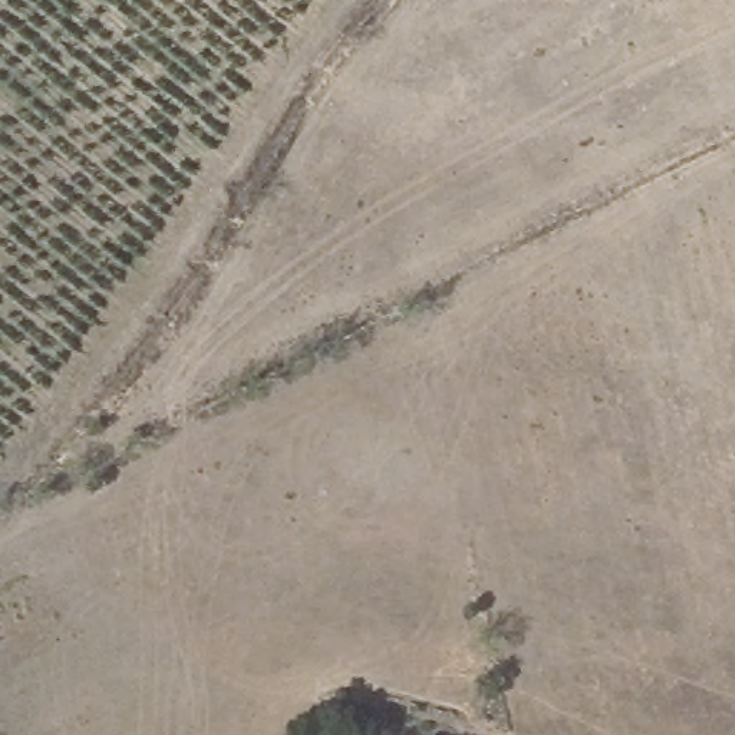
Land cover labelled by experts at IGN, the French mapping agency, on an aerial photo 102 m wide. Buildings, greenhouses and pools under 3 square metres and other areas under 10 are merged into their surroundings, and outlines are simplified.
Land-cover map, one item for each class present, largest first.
<instances>
[{"label":"agricultural land","instance_id":"1","mask_svg":"<svg viewBox=\"0 0 735 735\"><path fill-rule=\"evenodd\" d=\"M290 55L270 49L264 60L244 63L241 75L250 80V89L241 98H235L230 109V132L224 135V144L204 152V158L198 161V172H192V181L184 189V204L167 215L164 230L149 241L146 256L129 264L126 278L112 284L106 307L100 310V324L89 327V333L80 342V350L72 353V359L60 370H55L49 388H29L32 413H23V419L14 425V434L6 439V459H0V735H284L293 718H299L301 712L327 698L339 703V712L353 715L356 729L350 735H735V0H310L307 11L290 17L284 26Z\"/></svg>","mask_w":735,"mask_h":735},{"label":"vineyard","instance_id":"2","mask_svg":"<svg viewBox=\"0 0 735 735\"><path fill-rule=\"evenodd\" d=\"M310 0H0V459H6V439L14 434V425L23 419V413H32L29 388H49L55 370H60L72 359V353L80 350V342L89 333V327L100 324V310L106 307L112 284L126 278L129 264L146 256L149 241L164 230L167 215L184 204V189L192 181V172H198V161L204 158V152L224 144V135L230 132V109L235 98H241L250 89V80L241 75L244 63L264 60L270 49L290 55L284 26L290 17L307 11Z\"/></svg>","mask_w":735,"mask_h":735},{"label":"coniferous trees","instance_id":"3","mask_svg":"<svg viewBox=\"0 0 735 735\"><path fill-rule=\"evenodd\" d=\"M356 729L353 715L339 712V703L327 698L301 712L299 718H293L284 735H350Z\"/></svg>","mask_w":735,"mask_h":735}]
</instances>
